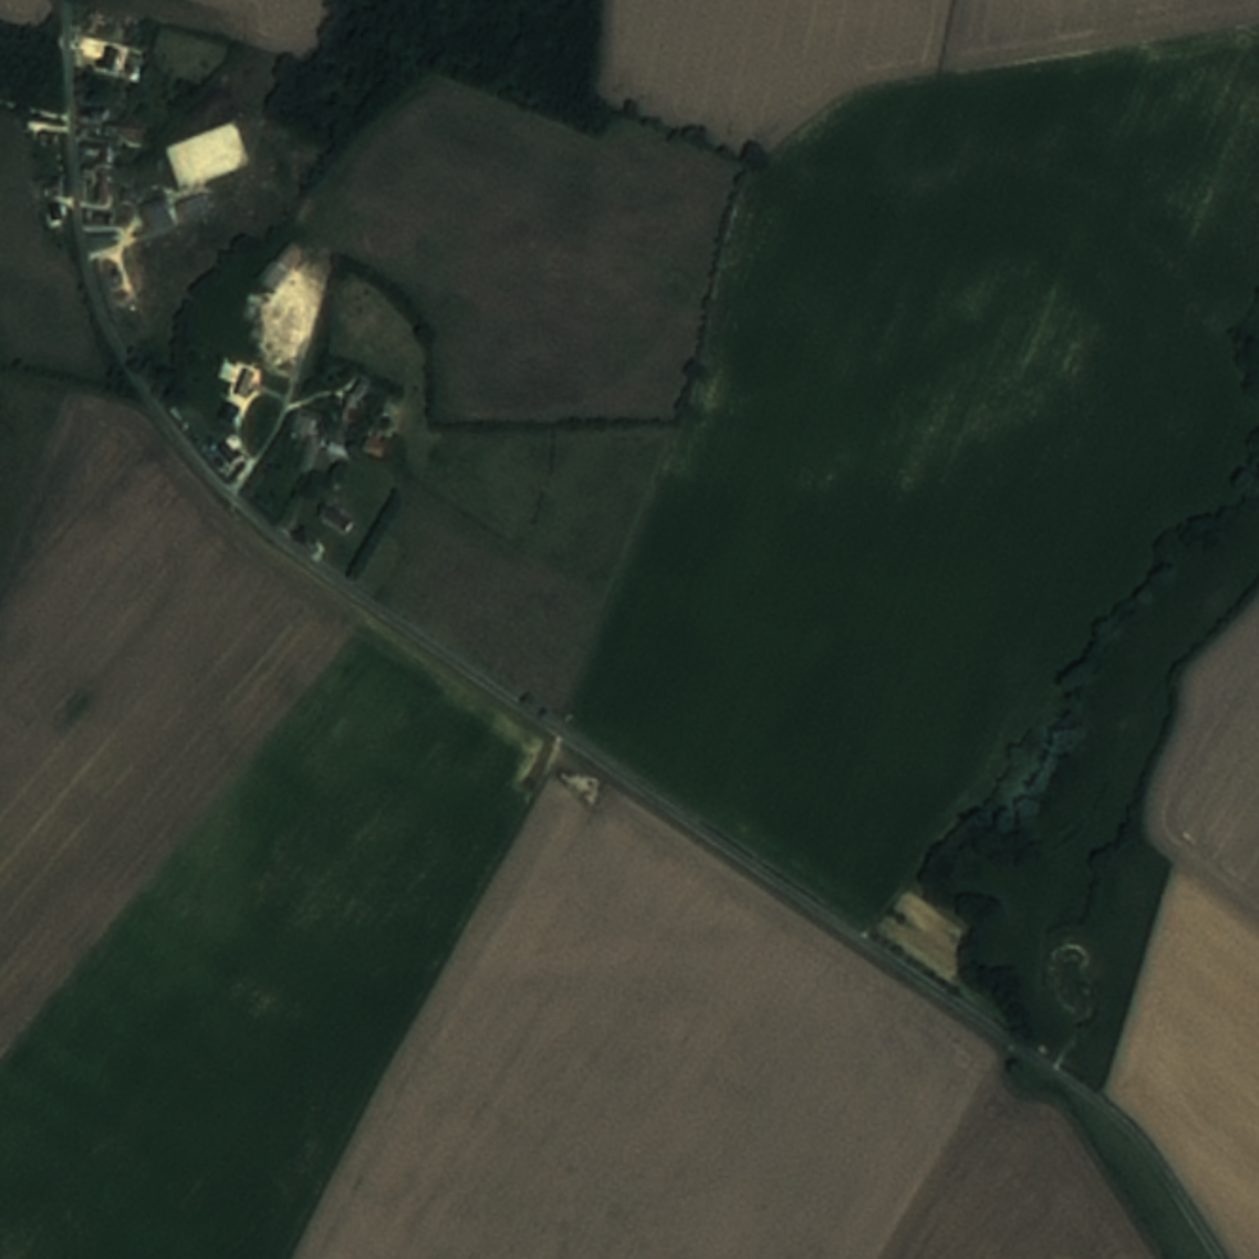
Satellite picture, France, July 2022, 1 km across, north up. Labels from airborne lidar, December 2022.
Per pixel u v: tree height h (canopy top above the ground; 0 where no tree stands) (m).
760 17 0
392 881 0
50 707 0
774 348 0
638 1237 0
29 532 0
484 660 0
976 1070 0
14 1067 0
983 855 14
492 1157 0
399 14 12
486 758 0
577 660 0
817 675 0
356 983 0
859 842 0
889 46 0
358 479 0
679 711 0
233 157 0
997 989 6
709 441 0
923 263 0
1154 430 0
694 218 0
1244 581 0
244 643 0
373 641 0
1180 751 0
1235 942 0
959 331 0
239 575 0
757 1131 0
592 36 12
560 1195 0
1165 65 0
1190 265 0
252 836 0
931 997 0
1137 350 0
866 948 0
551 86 12
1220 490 0
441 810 0
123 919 0
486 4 19
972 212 0
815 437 0
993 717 0
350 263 8
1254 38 0
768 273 0
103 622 0
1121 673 0
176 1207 0
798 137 0
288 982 0
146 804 0
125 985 0
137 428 0
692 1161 0
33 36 12
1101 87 0
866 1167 0
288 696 0
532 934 0
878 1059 0
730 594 0
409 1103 0
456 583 0
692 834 0
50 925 0
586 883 0
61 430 0
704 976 0
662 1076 0
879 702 0
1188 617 0
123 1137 0
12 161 0
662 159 0
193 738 0
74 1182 0
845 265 0
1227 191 0
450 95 0
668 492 0
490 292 0
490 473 0
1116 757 0
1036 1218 0
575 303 0
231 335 0
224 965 0
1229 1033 0
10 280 0
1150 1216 0
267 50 0
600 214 0
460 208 0
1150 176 0
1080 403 0
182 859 0
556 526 0
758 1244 0
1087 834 0
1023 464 0
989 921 9
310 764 0
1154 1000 0
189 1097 0
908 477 0
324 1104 0
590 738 0
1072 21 0
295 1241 0
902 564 0
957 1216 0
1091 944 0
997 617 0
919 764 0
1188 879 0
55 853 0
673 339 0
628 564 0
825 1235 0
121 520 0
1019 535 0
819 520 0
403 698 0
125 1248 0
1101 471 0
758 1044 0
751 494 0
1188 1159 0
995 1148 0
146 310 0
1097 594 0
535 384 0
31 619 0
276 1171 0
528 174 0
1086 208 0
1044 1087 0
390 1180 0
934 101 0
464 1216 0
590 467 0
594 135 11
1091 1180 0
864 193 0
